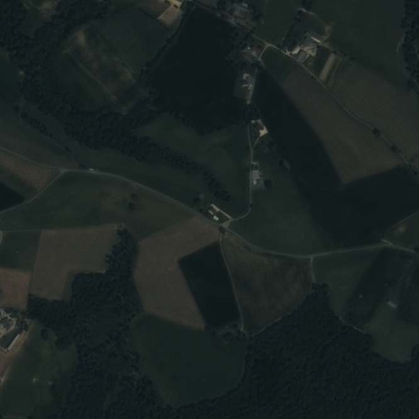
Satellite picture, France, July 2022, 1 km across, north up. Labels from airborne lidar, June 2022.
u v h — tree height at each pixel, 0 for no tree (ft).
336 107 0
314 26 0
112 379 117
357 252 0
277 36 0
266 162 0
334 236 0
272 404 72
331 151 0
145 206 0
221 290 0
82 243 0
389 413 97
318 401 98
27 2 0
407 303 0
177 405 0
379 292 0
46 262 0
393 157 0
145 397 89
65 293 0
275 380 57
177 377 0
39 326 0
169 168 0
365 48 0
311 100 0
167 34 0
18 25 87
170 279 0
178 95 0
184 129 0
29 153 0
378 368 107
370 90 0
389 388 105
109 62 0
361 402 108
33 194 0
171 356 0
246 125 24
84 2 108
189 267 0
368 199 0
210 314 0
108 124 83
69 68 0
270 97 0
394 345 0
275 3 0
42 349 0
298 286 0
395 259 0
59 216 0
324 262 0
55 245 0
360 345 100
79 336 87
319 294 76
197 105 0
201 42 0
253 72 0
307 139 0
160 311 0
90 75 0
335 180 0
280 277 0
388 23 0
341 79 0
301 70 0
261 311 0
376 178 0
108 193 0
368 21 0
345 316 0
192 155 0
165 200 0
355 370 98
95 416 99
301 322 92
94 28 0
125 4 0
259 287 0
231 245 0
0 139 0
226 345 0
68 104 106
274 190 0
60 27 101
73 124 91
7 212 0
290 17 0
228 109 0
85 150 0
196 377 0
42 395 0
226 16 32
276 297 0
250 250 0
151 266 0
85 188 0
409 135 0
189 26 0
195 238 0
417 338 0
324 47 0
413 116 0
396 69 0
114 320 0
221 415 80
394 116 0
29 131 0
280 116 0
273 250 0
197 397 0
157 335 0
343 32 0
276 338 97
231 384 0
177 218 0
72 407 30
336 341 107
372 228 0
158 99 0
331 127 0
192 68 0
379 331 0
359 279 0
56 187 0
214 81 0
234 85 0
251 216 0
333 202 0
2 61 0
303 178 0
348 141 0
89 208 0
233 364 0
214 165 0
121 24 0
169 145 0
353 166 0
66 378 0
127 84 0
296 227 0
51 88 24
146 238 0
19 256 0
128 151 50
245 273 0
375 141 0
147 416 76
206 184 0
